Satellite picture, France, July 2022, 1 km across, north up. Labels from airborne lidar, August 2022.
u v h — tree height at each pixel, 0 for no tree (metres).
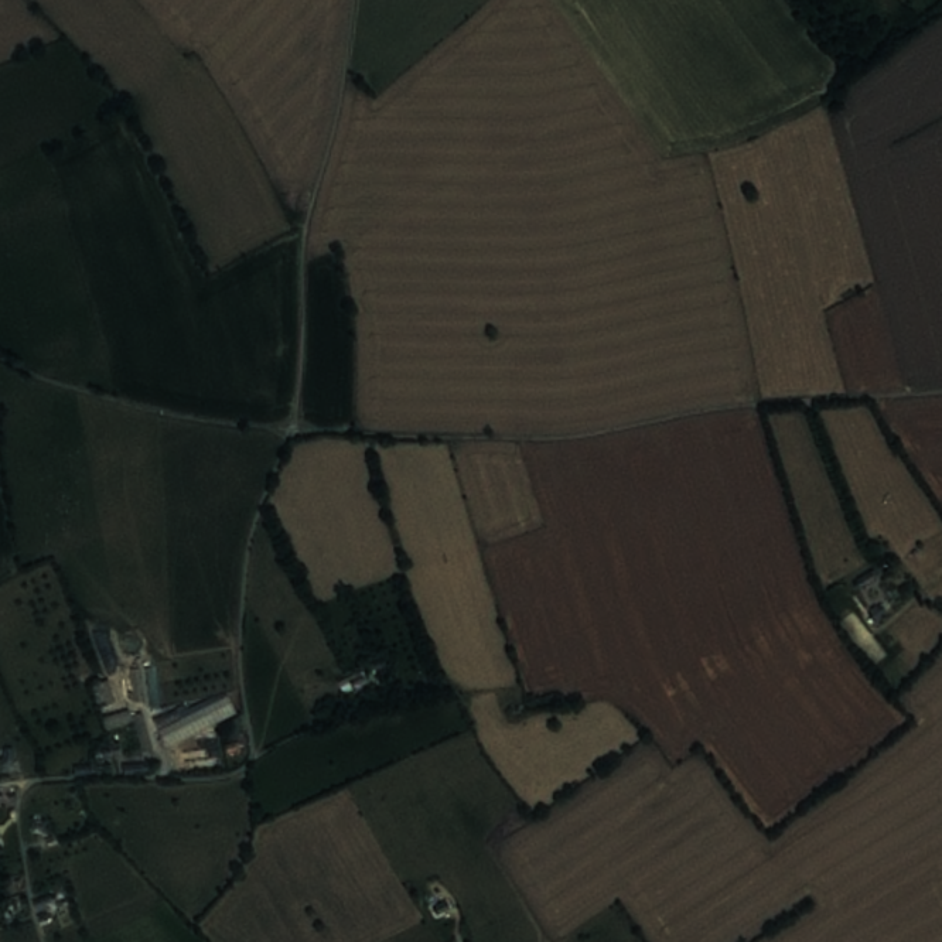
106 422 0
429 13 0
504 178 0
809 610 0
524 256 0
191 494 0
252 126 0
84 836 8
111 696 0
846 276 0
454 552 0
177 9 0
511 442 0
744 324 0
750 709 0
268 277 0
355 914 0
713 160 0
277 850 0
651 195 0
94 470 0
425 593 0
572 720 0
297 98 0
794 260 0
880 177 0
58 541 0
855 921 0
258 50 0
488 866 0
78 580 0
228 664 0
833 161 0
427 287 0
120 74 0
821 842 0
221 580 0
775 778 0
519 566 0
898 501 0
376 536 0
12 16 0
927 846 0
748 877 0
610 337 0
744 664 0
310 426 0
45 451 0
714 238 0
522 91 0
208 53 0
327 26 0
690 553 0
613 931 0
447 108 0
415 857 0
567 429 0
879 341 0
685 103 0
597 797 0
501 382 0
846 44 9
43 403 0
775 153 0
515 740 0
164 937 0
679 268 0
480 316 0
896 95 0
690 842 0
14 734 0
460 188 0
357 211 0
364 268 0
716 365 0
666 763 0
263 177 0
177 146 0
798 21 10
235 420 0
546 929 0
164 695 0
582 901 0
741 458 0
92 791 0
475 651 0
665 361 0
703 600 0
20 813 0
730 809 0
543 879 0
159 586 0
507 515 0
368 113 0
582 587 0
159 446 0
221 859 0
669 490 0
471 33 0
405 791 0
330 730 18
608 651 0
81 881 0
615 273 0
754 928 0
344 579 0
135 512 0
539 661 0
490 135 0
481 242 0
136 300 0
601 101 0
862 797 0
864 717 0
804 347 0
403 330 0
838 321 0
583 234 0
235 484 0
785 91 0
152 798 0
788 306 0
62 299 0
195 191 0
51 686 7
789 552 0
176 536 0
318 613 13
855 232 0
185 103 0
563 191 0
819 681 0
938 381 0
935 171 0
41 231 0
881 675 10
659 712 0
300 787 0
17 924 11
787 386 0
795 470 0
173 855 0
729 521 0
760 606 0
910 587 6
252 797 11
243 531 0
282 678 0
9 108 0
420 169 0
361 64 0
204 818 0
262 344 0
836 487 11
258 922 0
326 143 0
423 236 0
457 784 0
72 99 0
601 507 0
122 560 0
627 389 0
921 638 0
